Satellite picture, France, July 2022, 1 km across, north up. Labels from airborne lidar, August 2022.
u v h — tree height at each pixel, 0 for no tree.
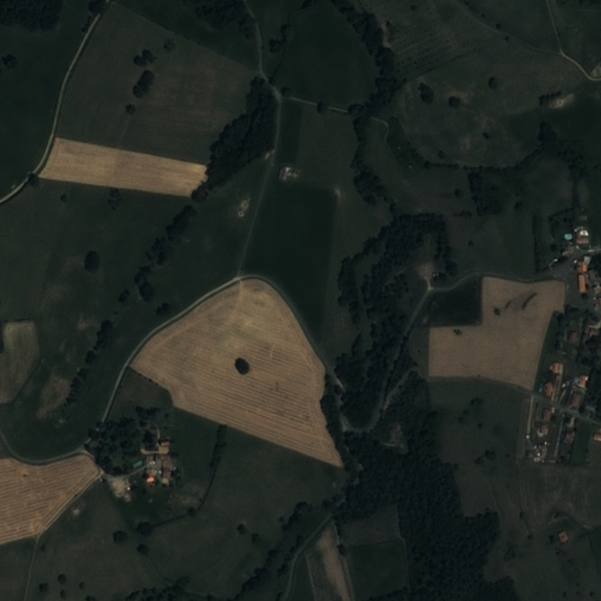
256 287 0
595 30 0
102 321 0
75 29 0
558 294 0
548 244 0
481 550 15
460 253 0
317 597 0
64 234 0
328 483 0
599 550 0
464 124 0
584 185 0
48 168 0
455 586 10
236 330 0
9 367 0
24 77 0
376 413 0
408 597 10
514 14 0
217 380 0
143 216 0
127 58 0
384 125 0
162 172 0
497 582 6
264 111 19
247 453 0
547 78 0
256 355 0
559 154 8
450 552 16
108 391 0
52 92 0
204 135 0
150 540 0
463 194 9
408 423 10
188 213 21
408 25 0
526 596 0
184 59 0
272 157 0
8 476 0
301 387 0
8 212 0
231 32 0
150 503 0
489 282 0
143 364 0
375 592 0
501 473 0
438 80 0
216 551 0
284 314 0
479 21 0
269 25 0
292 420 0
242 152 19
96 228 0
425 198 0
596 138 0
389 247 14
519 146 0
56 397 0
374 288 13
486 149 0
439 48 0
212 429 0
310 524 0
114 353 0
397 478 20
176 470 7
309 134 0
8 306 0
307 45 0
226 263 0
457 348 0
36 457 0
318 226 0
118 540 13
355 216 0
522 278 0
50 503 0
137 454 7
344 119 0
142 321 0
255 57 0
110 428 22
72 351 0
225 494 0
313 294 0
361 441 19
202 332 0
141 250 0
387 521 0
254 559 0
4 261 0
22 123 0
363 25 18
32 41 0
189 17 0
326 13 0
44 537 0
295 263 0
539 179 0
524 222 0
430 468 8
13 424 0
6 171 0
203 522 0
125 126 0
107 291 0
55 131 0
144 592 11
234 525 0
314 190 0
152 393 0
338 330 0
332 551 0
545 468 0
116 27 0
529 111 0
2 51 0
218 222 0
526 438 0
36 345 0
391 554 0
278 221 0
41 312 0
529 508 0
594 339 13
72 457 0
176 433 0
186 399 0
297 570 0
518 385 0
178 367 0
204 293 0
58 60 0
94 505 0
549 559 0
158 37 0
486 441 0
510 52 0
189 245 0
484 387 0
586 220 0
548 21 0
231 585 0
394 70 19
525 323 0
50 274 0
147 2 0
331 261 0
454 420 0
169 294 0
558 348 6
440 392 0
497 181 0
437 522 16
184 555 0
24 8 20
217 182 20
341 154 0
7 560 0
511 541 0
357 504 17
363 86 0
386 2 0
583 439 0
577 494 0
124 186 0
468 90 0
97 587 0
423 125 0
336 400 14
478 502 0
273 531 0
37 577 0
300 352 0
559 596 0
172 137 0
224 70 0
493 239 0
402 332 10
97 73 0
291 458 0
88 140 0
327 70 0
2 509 0
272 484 0
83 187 0
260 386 0
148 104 0
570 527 0
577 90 0
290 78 0
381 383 11
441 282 7
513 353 0
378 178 13
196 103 0
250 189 0
